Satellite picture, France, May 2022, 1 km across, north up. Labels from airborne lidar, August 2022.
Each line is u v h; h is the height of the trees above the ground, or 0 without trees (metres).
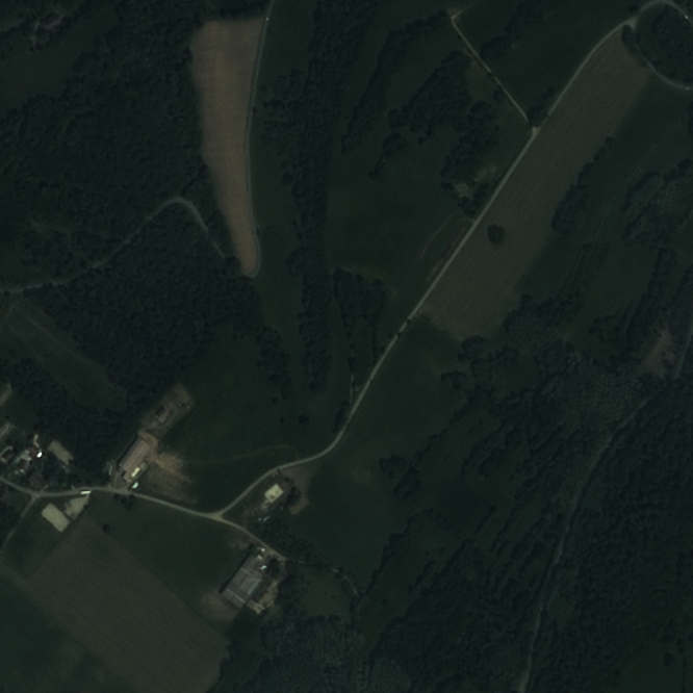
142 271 19
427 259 0
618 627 19
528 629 13
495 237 19
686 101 0
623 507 12
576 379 25
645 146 0
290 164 9
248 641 0
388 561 13
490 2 0
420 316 0
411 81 0
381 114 10
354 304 20
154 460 0
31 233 6
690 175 19
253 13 17
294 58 0
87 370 0
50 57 0
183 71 23
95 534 0
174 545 0
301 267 17
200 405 0
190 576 0
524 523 0
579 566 12
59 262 15
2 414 9
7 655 0
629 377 28
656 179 17
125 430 15
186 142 17
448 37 0
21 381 18
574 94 0
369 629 0
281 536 7
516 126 0
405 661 20
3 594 0
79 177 20
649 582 23
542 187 0
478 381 11
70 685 0
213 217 21
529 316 22
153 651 0
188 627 0
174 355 16
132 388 20
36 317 0
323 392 15
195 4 26
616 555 19
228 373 0
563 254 0
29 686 0
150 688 0
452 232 0
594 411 23
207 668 0
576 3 0
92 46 0
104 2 21
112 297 19
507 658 18
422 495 0
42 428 11
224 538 0
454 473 0
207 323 15
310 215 16
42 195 7
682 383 9
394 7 0
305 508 0
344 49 22
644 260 0
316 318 7
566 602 18
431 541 0
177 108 20
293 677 27
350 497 0
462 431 0
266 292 0
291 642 26
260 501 0
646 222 17
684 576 23
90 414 19
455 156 17
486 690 13
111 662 0
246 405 0
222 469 0
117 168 20
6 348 0
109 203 20
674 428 17
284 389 18
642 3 0
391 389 0
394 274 0
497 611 16
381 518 0
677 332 15
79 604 0
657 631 24
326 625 21
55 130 24
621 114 0
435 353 0
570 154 0
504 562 0
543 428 15
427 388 0
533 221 0
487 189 12
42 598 0
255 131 0
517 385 0
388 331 0
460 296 0
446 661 10
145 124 18
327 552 0
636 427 7
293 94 9
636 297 0
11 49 10
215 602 0
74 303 26
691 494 15
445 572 10
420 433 0
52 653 0
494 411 17
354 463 0
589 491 15
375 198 0
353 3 18
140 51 21
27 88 0
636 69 0
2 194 8
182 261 20
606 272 0
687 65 18
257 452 0
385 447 0
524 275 0
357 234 0
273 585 0
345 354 0
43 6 19
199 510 0
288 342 0
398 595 0
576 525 13
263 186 0
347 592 13
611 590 17
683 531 24
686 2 6
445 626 19
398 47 18
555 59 0
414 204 0
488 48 18
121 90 24
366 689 23
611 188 0
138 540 0
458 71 16
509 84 0
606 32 0
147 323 16
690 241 0
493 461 14
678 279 0
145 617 0
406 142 13
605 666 25
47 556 0
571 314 13
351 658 23
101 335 20
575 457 21
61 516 0
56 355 0
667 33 17
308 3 0
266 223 0
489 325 0
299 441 0
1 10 16
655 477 24
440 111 13
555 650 12
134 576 0
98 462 16
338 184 0
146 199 21
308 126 17
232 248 16
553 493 15
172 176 14
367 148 0
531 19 21
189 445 0
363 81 0
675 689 0
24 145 26
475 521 0
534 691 9
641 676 0
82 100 22
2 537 10
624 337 6
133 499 10
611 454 13
